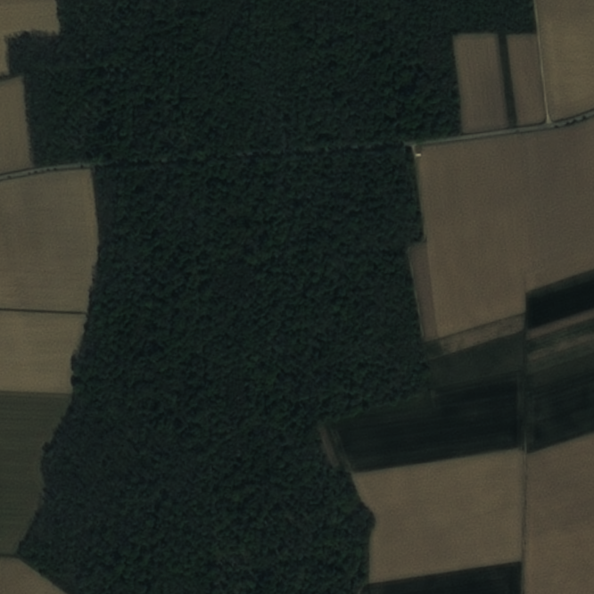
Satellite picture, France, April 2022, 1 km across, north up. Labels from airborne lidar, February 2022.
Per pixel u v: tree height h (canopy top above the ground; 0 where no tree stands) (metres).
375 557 0
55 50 19
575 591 0
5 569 0
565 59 0
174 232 18
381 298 22
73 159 11
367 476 0
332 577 24
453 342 0
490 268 0
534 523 0
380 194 17
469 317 0
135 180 23
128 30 24
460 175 0
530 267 0
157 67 22
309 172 14
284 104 14
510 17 13
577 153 0
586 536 0
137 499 27
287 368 18
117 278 24
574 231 0
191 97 14
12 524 0
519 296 0
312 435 28
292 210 26
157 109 13
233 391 15
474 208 0
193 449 24
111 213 16
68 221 0
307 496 22
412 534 0
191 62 22
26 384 0
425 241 0
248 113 22
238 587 25
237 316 8
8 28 0
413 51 15
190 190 20
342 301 20
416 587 0
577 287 0
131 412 26
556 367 0
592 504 0
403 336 11
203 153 21
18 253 0
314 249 20
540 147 0
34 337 0
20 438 0
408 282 12
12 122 0
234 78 23
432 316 0
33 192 0
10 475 0
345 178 15
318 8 13
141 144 23
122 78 25
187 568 19
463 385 0
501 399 0
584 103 0
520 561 0
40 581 0
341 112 20
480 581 0
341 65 19
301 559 11
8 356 0
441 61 11
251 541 19
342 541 22
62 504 21
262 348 25
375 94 17
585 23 0
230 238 22
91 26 19
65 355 0
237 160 21
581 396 0
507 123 0
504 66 0
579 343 0
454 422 0
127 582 23
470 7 14
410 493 0
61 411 0
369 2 14
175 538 20
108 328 19
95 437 25
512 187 0
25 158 0
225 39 16
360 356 12
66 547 21
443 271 0
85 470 26
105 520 24
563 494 0
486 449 0
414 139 14
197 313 21
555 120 0
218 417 22
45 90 19
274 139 17
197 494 23
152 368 22
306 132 19
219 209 21
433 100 18
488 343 0
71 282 0
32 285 0
